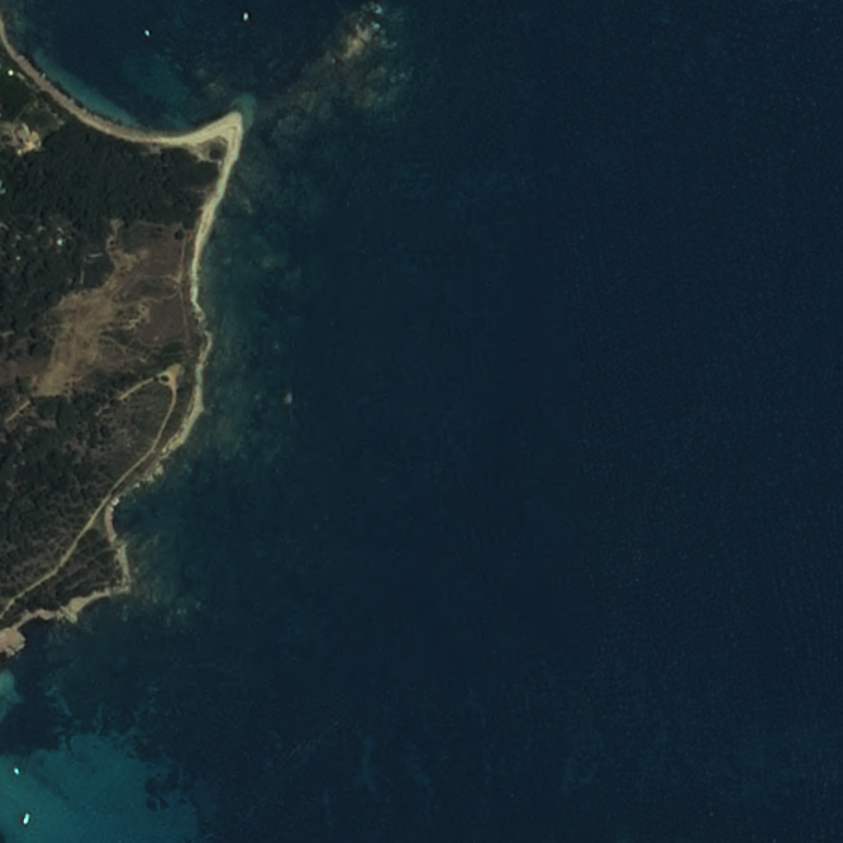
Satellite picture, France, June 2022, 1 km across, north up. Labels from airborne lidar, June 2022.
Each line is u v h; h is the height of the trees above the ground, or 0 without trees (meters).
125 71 0
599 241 0
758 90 0
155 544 0
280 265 0
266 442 0
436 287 0
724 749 0
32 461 13
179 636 0
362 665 0
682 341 0
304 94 0
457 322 0
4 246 7
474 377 0
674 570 0
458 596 0
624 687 0
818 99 0
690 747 0
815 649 0
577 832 0
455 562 0
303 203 0
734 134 0
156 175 13
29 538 7
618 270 0
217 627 0
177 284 0
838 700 0
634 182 0
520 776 0
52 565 0
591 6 0
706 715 0
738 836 0
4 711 0
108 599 0
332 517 0
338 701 0
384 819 0
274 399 0
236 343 0
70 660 0
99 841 0
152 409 0
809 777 0
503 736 0
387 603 0
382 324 0
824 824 0
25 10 0
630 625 0
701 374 0
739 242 0
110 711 0
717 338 0
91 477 8
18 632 0
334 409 0
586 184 0
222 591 0
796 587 0
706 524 0
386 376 0
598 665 0
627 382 0
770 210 0
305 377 0
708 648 0
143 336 0
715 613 0
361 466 0
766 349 0
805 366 0
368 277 0
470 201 0
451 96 0
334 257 0
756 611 0
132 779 0
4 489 8
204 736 0
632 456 0
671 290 0
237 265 0
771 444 0
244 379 0
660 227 0
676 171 0
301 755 0
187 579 0
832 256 0
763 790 0
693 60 0
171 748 0
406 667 0
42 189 12
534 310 0
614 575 0
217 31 0
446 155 0
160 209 11
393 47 0
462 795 0
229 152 0
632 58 0
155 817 0
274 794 0
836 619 0
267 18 0
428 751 0
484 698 0
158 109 0
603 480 0
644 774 0
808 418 0
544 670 0
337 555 0
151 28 0
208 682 0
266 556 0
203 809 0
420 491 0
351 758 0
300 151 0
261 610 0
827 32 0
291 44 0
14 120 7
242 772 0
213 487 0
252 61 0
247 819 0
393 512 0
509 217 0
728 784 0
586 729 0
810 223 0
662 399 0
